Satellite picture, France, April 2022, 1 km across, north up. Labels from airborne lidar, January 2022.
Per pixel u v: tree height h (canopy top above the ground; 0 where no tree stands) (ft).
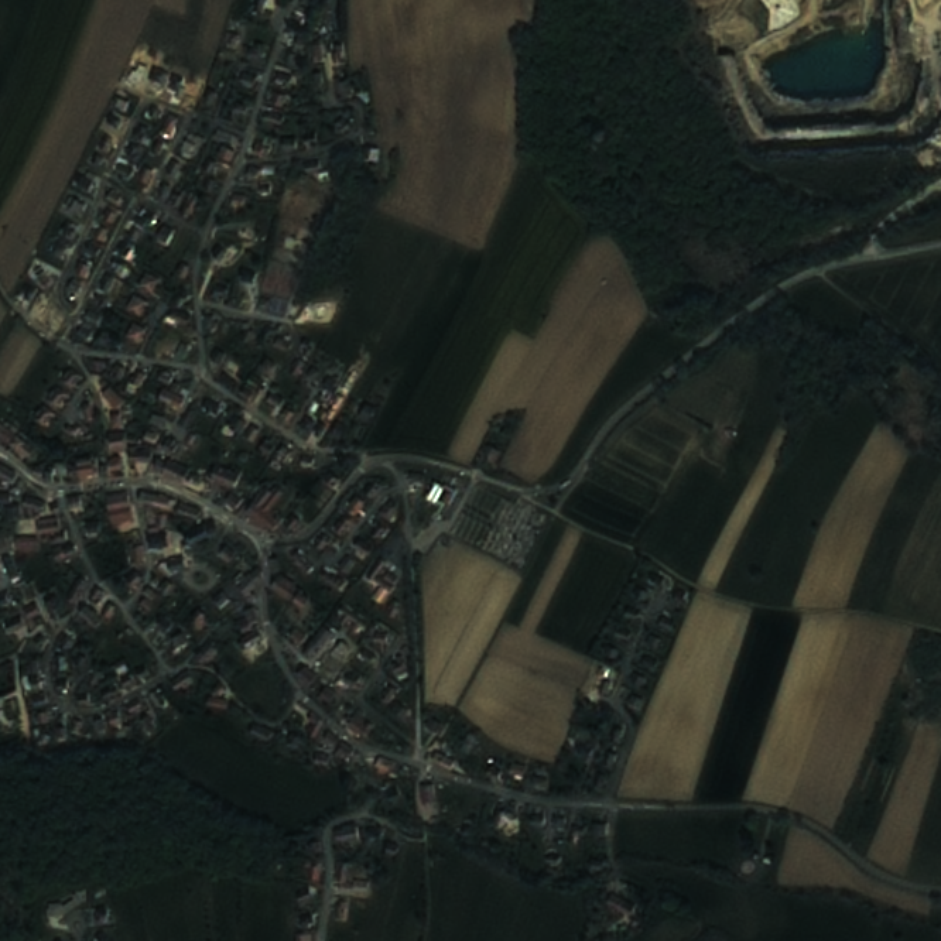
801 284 0
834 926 0
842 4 0
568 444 0
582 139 61
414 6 0
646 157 73
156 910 0
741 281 30
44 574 0
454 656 0
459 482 0
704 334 52
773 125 0
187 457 0
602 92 71
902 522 0
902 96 0
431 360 0
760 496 0
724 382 0
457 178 0
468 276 0
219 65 19
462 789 0
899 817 0
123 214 0
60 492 0
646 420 0
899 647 0
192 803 79
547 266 0
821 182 0
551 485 0
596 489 0
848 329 0
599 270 0
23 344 0
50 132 0
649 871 0
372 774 38
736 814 0
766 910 0
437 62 0
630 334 0
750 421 0
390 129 0
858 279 0
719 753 0
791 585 0
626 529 0
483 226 0
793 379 63
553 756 0
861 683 0
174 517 36
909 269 0
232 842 68
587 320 0
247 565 0
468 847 51
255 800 0
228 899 0
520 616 0
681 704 0
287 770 0
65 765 59
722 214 62
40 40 0
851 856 0
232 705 37
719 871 53
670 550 0
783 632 0
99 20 0
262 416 0
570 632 0
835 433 0
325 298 0
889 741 0
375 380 0
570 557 0
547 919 0
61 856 71
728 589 0
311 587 0
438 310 0
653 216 63
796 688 0
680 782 0
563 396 0
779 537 0
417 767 0
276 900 0
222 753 0
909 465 0
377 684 0
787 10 0
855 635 0
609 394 0
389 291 0
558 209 0
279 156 0
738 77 0
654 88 79
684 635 0
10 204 0
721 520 0
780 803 0
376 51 0
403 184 0
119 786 65
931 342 0
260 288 0
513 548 0
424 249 0
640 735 0
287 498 0
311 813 0
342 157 52
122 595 35
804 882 0
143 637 0
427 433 0
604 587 0
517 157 36
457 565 0
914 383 0
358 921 0
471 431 0
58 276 0
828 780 0
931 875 0
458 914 0
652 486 0
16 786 71
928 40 0
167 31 0
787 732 0
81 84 0
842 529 0
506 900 0
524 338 0
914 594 0
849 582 0
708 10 0
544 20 72
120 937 0
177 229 0
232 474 0
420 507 0
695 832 0
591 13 48
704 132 72
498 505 0
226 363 0
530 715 0
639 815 0
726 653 0
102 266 0
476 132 0
